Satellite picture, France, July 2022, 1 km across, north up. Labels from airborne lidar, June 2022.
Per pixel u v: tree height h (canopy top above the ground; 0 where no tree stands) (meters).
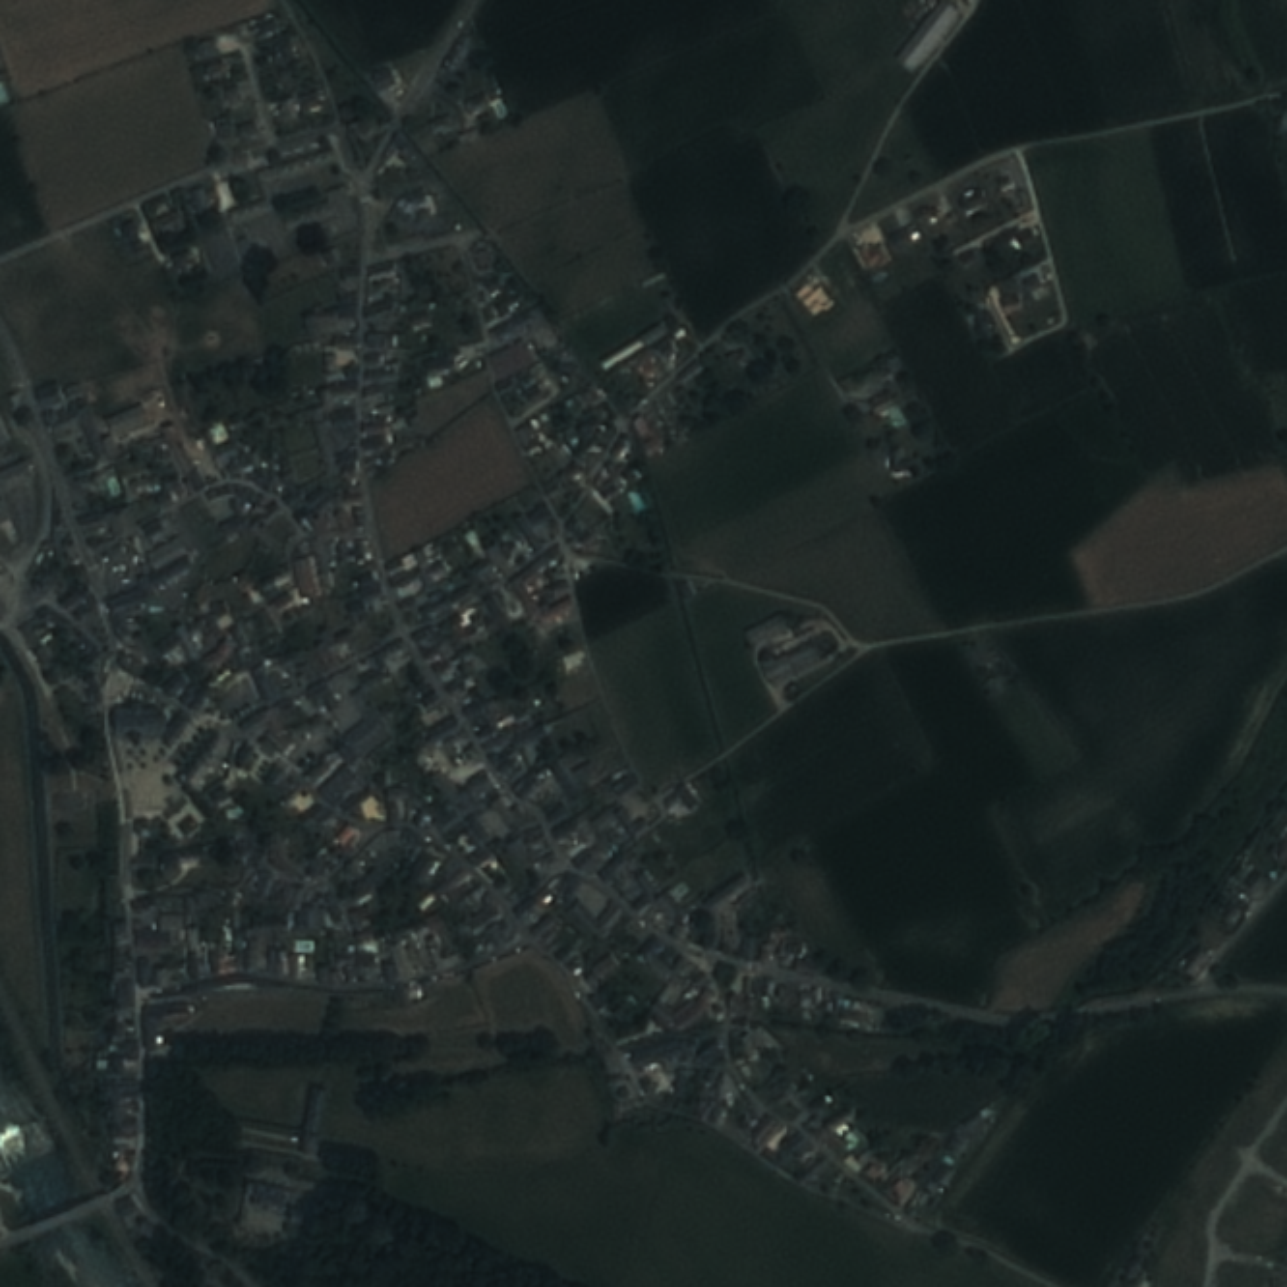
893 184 0
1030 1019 18
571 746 11
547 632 0
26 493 0
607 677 0
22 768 0
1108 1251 0
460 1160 0
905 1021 20
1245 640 0
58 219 0
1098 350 0
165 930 0
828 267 0
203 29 0
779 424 0
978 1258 14
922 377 0
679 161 0
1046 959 0
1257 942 0
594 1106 0
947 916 0
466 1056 0
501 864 8
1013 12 0
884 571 0
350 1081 0
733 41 0
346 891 8
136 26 0
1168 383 0
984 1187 0
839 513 0
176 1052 19
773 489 0
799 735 0
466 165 0
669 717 0
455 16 0
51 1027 0
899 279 0
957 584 0
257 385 15
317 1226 31
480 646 7
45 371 0
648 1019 8
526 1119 0
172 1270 20
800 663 0
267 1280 19
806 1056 0
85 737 15
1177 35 0
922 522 0
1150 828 0
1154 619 0
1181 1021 0
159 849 9
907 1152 7
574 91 0
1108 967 12
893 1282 0
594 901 0
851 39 0
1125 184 0
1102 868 0
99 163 0
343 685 0
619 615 0
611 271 0
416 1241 35
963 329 0
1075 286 0
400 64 0
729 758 0
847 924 0
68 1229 0
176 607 0
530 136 0
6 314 0
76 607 0
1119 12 0
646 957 0
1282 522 0
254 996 0
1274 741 0
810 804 0
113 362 0
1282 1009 0
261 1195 0
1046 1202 0
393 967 0
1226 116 0
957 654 0
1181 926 12
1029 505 0
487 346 0
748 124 0
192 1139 15
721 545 0
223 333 0
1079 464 0
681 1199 0
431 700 0
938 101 0
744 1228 0
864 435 0
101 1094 10
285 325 0
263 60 10
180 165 0
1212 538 0
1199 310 0
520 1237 0
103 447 0
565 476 0
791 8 0
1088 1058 0
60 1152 10
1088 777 0
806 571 0
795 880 0
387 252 0
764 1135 0
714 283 0
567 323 0
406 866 7
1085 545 0
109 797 0
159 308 0
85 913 7
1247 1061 0
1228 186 0
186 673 11
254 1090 0
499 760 0
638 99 0
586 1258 0
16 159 0
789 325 0
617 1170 0
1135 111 0
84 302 0
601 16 0
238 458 0
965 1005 0
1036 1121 0
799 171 0
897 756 0
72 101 0
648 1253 0
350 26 0
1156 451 0
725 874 0
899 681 0
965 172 0
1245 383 0
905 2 0
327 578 0
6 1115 0
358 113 8
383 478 7
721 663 0
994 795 0
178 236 11
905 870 0
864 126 0
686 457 0
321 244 14
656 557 8
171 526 0
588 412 6
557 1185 0
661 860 7
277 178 0
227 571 0
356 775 0
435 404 0
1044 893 0
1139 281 0
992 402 0
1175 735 0
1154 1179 0
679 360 0
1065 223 0
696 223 0
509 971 0
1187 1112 0
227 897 5
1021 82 0
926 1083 0
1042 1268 0
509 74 0
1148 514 0
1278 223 0
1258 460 0
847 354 0
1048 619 0
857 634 0
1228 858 0
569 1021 0
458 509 0
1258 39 0
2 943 0
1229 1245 0
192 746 7
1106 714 0
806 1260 0
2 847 0
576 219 0
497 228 0
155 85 0
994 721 0
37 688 0
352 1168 23
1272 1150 0
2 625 0
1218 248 0
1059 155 0
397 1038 13
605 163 0
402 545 0
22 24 0
